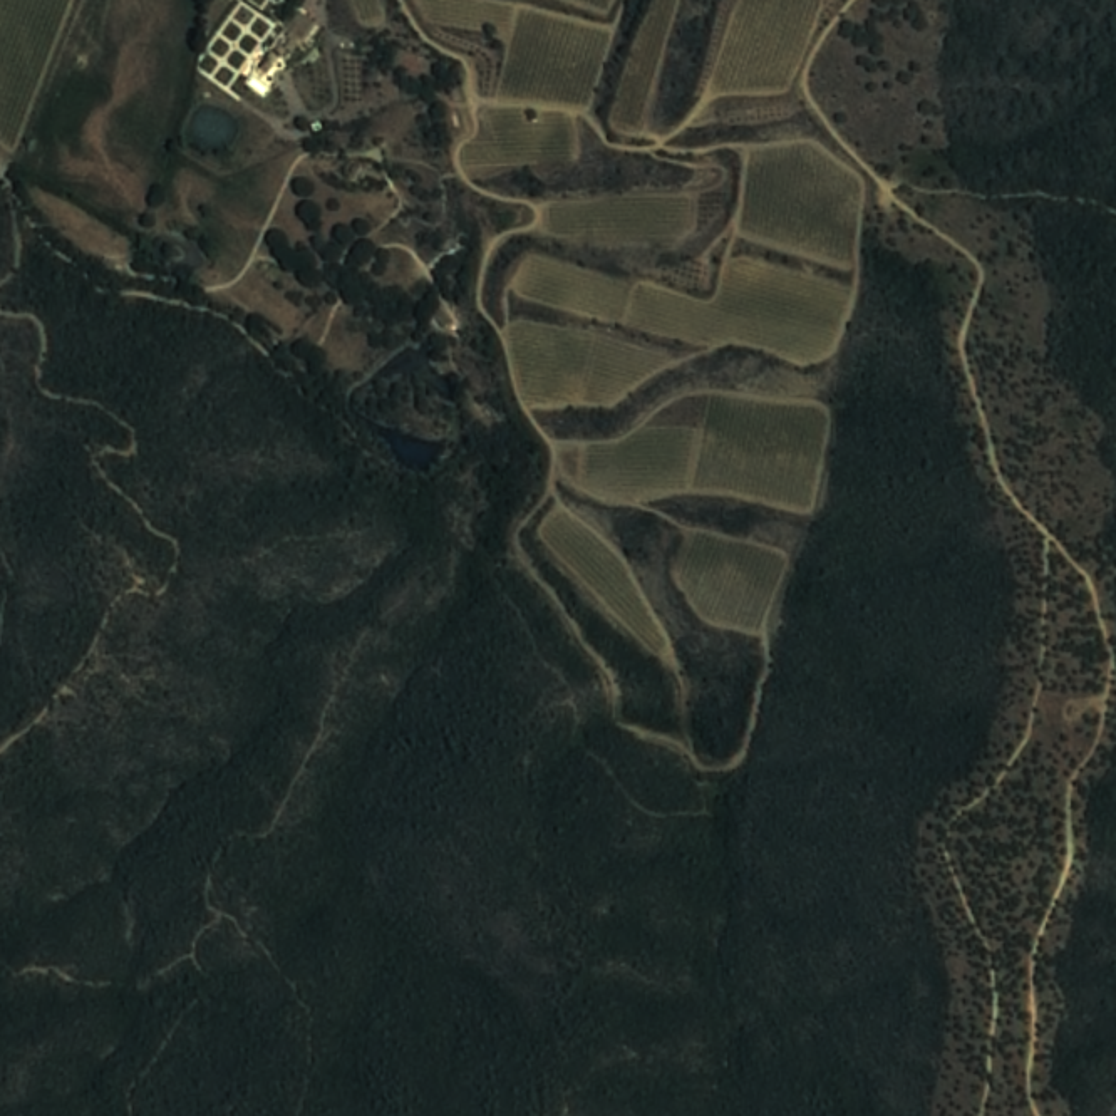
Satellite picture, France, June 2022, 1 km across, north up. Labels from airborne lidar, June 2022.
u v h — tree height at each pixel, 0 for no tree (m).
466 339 8
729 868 6
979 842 7
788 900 8
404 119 0
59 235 7
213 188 0
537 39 0
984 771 6
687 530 0
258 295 0
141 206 0
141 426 6
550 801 7
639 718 6
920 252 0
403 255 0
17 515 6
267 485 8
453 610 8
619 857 7
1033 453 6
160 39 0
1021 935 7
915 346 6
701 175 0
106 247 0
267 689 7
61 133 0
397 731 7
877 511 6
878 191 0
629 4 13
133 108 0
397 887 6
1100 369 6
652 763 7
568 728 7
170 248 14
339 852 10
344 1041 8
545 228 0
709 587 0
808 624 6
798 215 0
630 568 0
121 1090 7
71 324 8
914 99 0
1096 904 7
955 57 8
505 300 0
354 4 0
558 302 0
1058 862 6
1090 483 0
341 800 8
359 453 10
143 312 6
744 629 0
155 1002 10
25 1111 7
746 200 0
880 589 7
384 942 7
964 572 6
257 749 8
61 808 7
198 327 7
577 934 8
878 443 8
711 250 0
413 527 9
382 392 8
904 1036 6
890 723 6
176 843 6
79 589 8
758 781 7
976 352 5
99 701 7
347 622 6
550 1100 8
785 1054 6
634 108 0
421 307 11
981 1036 7
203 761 5
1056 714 0
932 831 9
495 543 11
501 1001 6
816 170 0
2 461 0
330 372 7
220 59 0
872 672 6
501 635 5
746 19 0
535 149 0
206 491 7
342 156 7
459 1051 7
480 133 0
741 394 0
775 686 5
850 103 0
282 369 11
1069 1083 6
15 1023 8
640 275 0
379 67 7
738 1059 5
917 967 6
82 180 0
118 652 5
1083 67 13
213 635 6
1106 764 6
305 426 10
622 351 0
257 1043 6
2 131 0
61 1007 7
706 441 0
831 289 0
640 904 5
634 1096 6
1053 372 6
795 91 0
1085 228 7
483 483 7
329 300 7
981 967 6
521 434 7
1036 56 10
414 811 6
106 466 9
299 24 0
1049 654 6
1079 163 5
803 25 0
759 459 0
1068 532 6
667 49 0
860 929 6
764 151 0
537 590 7
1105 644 7
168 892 7
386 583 7
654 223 0
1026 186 7
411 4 0
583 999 6
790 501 0
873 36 10
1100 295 7
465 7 0
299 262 14
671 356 0
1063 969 6
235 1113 6
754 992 6
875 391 7
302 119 10
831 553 6
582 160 0
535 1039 6
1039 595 7
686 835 6
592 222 0
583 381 0
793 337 0
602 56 0
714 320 0
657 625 0
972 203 0
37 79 0
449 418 5
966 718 8
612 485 0
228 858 9
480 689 6
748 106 0
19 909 6
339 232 14
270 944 6
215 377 6
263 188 0
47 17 0
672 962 6
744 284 0
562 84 0
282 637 6
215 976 7
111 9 0
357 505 5
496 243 0
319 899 10
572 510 0
